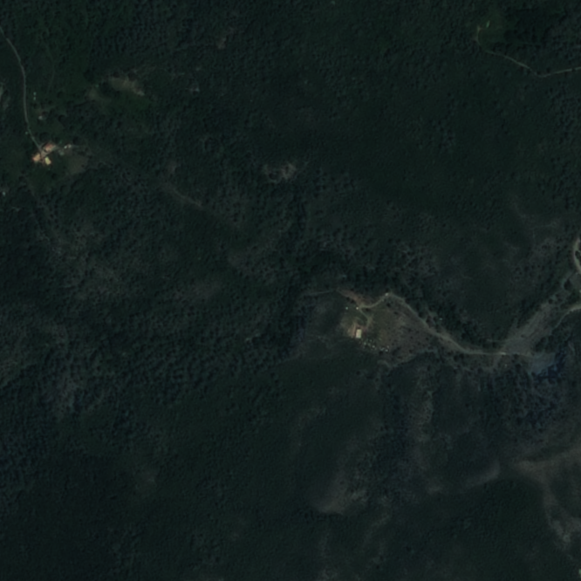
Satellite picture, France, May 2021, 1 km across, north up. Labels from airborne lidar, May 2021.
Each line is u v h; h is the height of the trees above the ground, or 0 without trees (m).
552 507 0
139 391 9
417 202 7
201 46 8
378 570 7
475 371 19
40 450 12
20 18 7
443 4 14
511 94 7
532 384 15
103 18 6
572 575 6
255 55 7
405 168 7
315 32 9
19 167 0
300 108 14
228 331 14
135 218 17
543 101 10
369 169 6
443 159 8
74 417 12
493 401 10
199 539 16
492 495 9
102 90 7
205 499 9
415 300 16
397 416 10
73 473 14
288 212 9
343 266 18
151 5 15
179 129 7
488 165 6
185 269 6
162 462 8
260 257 6
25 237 15
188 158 8
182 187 7
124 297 9
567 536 0
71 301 9
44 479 17
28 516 16
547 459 0
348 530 7
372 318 0
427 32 7
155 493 5
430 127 8
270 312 14
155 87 8
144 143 11
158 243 11
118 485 14
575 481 0
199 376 7
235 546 7
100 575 19
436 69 7
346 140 7
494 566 6
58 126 0
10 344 18
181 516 9
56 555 15
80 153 6
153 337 15
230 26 10
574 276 0
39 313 17
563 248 13
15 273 13
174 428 11
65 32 10
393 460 10
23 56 8
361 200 7
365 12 10
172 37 6
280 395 20
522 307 9
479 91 8
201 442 6
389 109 11
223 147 26
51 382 15
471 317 7
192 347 17
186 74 7
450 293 10
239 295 6
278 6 7
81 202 11
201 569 7
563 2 7
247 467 7
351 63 8
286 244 16
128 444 9
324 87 7
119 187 7
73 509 15
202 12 10
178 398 12
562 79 6
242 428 12
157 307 18
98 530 16
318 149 11
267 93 11
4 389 10
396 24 10
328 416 7
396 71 7
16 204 15
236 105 8
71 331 17
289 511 10
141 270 8
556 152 6
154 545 6
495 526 9
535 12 17
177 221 14
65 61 12
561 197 13
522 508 7
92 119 6
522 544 6
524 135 6
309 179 7
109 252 16
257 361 21
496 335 12
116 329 18
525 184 6
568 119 16
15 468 14
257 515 11
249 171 17
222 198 13
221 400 9
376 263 7
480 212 11
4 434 16
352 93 6
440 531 7
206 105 19
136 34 15
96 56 6
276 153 9
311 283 16
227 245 14
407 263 18
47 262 10
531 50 7
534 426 13
